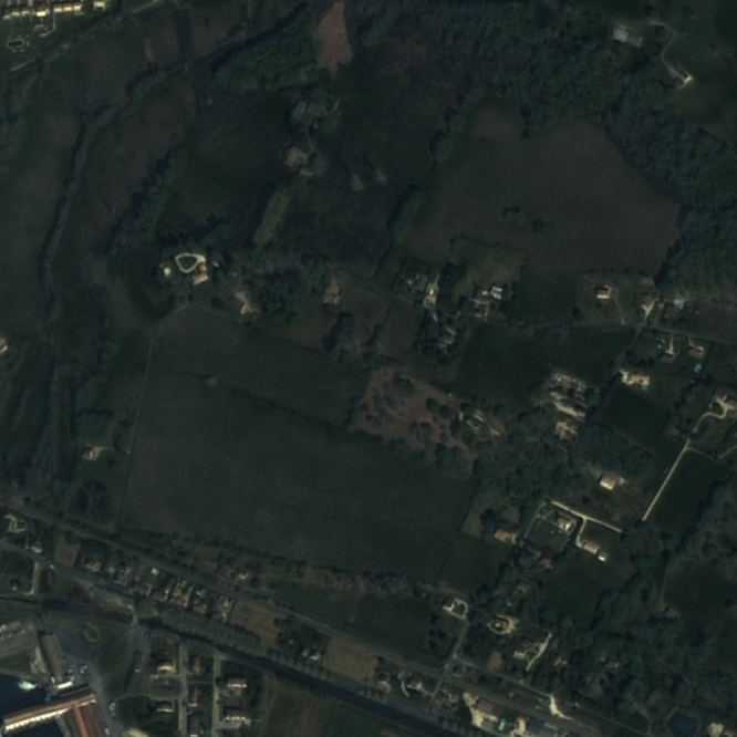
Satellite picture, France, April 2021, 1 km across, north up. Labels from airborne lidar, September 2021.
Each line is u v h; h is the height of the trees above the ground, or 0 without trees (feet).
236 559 25
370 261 0
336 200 0
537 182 0
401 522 0
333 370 0
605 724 0
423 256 0
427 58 0
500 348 0
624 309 0
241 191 0
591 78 84
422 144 0
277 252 63
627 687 53
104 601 92
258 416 0
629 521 0
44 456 59
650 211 0
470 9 71
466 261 0
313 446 0
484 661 31
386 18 70
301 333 0
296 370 0
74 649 0
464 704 0
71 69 0
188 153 0
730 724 71
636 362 55
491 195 0
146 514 0
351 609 0
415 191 46
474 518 0
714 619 0
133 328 0
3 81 31
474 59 57
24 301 0
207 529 0
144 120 0
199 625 95
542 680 37
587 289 0
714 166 59
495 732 0
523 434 59
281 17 0
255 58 64
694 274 68
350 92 0
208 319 0
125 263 24
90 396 71
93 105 22
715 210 85
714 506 59
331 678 45
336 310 0
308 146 0
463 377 0
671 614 0
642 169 46
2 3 49
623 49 55
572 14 55
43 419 29
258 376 0
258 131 0
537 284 0
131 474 0
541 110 78
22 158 0
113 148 0
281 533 0
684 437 38
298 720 0
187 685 0
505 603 36
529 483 96
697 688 74
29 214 0
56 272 0
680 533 0
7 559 23
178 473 0
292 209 0
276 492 0
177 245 20
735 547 0
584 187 0
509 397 0
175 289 47
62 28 0
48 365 0
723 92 0
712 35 0
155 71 29
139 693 0
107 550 38
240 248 0
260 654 104
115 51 0
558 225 0
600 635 53
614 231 0
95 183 0
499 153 0
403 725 0
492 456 58
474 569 0
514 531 24
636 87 78
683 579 0
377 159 0
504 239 0
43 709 0
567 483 55
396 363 36
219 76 69
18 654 0
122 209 0
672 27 0
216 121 0
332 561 0
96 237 0
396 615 0
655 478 0
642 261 0
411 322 0
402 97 0
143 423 0
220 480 0
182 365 0
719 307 0
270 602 23
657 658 81
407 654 0
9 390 49
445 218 0
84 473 24
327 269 56
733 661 0
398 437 0
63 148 0
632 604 73
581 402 20
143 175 0
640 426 0
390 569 0
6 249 0
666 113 75
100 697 0
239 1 0
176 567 28
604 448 66
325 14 0
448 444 58
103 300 36
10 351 30
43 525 33
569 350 0
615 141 51
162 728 27
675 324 32
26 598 0
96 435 84
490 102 0
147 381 0
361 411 35
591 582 0
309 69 64
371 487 0
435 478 0
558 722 0
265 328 0
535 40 80
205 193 0
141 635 0
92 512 100
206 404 0
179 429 0
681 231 43
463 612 23
